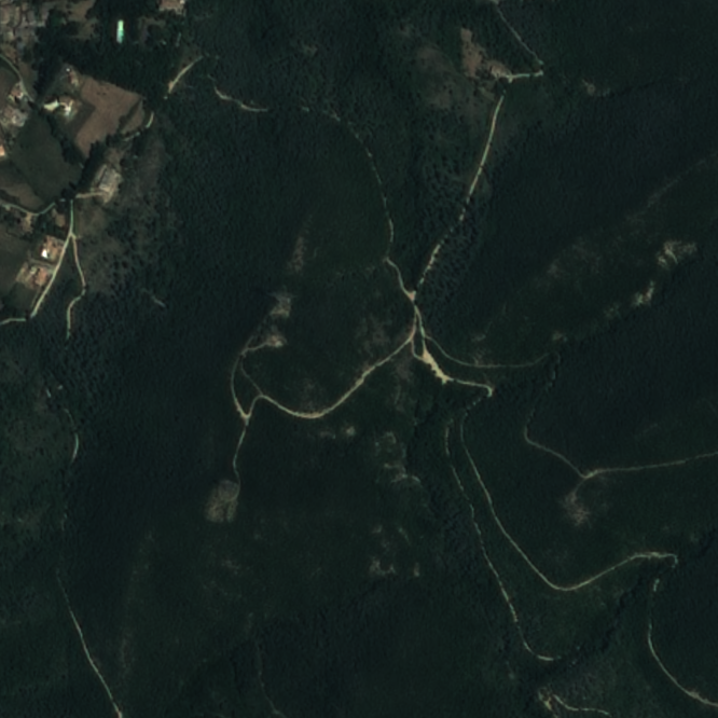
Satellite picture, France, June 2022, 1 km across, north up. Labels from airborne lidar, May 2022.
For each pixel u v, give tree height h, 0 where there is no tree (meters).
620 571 8
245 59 10
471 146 5
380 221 9
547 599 6
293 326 7
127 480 8
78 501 11
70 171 0
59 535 10
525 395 13
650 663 9
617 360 7
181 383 8
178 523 7
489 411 10
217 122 10
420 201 15
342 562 6
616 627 8
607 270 6
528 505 6
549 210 6
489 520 7
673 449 8
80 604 7
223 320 9
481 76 9
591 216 6
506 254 7
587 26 9
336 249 6
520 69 7
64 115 0
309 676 9
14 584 8
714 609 9
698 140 9
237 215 12
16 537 10
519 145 8
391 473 7
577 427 7
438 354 7
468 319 9
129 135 8
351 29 15
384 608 10
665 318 9
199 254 10
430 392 12
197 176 10
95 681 8
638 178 6
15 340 6
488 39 11
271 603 8
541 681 12
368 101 10
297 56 9
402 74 5
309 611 10
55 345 13
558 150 11
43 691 7
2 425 7
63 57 20
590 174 9
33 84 0
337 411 7
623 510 7
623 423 7
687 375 8
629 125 6
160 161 0
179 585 10
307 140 12
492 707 7
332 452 6
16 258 0
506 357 9
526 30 5
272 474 9
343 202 8
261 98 13
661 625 8
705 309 7
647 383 9
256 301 8
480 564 9
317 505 6
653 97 8
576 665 11
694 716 6
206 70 7
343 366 7
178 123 8
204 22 7
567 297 5
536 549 8
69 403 8
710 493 8
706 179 8
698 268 7
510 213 10
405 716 7
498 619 8
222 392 7
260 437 10
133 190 0
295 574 6
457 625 10
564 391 8
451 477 8
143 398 9
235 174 10
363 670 6
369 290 7
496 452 6
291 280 7
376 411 6
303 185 7
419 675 5
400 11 14
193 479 6
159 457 9
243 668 11
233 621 6
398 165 10
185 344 9
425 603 7
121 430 11
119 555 7
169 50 12
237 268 11
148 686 8
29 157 0
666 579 9
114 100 0
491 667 8
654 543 8
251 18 11
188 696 7
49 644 5
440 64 0
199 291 6
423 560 9
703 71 9
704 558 10
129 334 14
